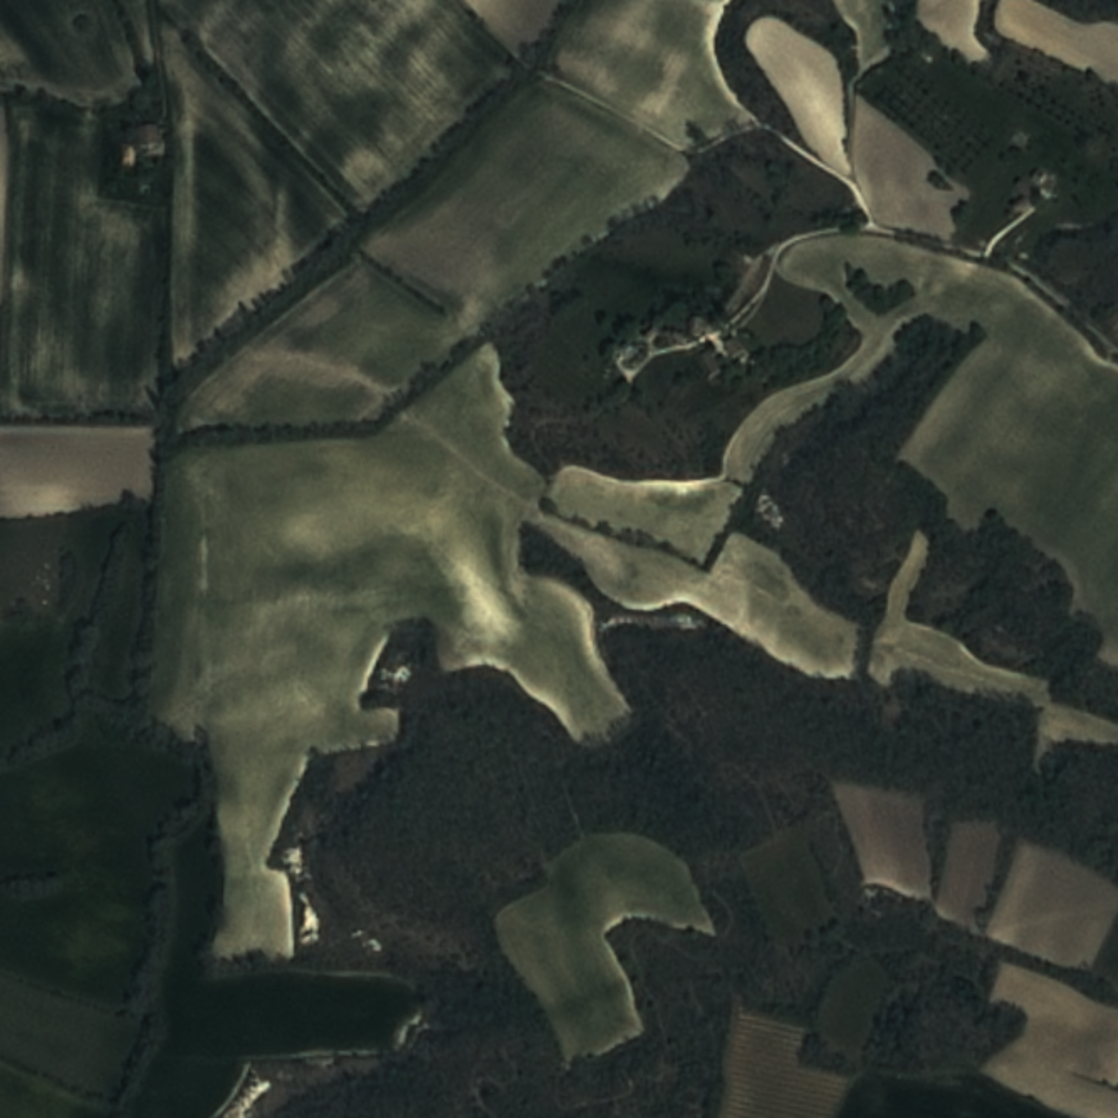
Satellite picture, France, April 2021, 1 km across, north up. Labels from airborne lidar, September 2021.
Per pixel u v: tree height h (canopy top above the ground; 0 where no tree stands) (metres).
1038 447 0
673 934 8
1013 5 0
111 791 0
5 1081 0
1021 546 14
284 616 0
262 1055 0
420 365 0
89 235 0
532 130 0
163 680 0
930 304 0
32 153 0
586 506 0
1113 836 8
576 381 0
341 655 0
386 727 0
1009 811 14
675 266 0
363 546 0
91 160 0
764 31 0
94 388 0
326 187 10
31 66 0
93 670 10
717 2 0
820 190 0
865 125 0
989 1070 0
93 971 0
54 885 15
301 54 0
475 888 13
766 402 0
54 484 0
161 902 14
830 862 0
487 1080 8
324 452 0
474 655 0
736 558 0
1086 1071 0
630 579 0
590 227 0
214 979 18
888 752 16
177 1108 0
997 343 0
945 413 0
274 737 0
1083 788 10
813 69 0
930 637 0
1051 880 0
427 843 12
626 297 0
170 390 16
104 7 0
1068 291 7
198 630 0
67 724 12
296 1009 0
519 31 0
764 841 13
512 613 0
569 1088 6
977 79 13
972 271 0
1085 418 0
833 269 0
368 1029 0
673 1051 7
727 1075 12
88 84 0
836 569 7
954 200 0
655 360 0
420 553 0
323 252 12
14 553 0
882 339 0
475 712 11
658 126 0
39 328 0
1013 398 0
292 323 0
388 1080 8
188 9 0
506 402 0
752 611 0
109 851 0
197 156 0
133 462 0
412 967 10
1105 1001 10
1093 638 17
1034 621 10
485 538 0
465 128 10
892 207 0
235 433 11
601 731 0
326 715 0
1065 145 0
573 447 13
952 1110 0
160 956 16
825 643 0
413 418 0
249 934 0
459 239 0
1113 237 7
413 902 7
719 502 0
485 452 0
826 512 6
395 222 0
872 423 9
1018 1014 14
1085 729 0
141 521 0
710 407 0
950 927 9
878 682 12
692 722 6
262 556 0
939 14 0
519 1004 16
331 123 0
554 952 0
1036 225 0
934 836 12
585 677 0
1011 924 0
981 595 10
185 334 0
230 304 0
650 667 6
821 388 0
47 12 0
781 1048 0
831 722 10
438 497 0
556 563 9
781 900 0
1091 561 0
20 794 0
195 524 0
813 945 13
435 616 0
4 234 0
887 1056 11
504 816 14
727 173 8
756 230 0
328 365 0
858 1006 0
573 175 0
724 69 7
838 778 10
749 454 0
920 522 11
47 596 0
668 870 0
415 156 0
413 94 0
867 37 0
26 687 0
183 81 0
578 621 0
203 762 22
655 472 10
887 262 0
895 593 0
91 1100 11
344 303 0
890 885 0
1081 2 14
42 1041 0
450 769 12
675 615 0
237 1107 0
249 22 0
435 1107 11
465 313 0
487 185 0
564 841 12
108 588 9
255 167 0
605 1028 0
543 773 11
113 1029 0
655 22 0
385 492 0
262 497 0
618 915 0
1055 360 0
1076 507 0
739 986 12
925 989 7
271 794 0
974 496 0
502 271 0
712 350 8
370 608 0
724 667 6
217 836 11
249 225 0
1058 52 0
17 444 0
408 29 0
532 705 6
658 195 0
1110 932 0
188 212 0
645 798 9
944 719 7
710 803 13
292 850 0
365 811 7
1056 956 0
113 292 0
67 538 0
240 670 0
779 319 0
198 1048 0
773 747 10
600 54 0
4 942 0
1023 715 10
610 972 0
